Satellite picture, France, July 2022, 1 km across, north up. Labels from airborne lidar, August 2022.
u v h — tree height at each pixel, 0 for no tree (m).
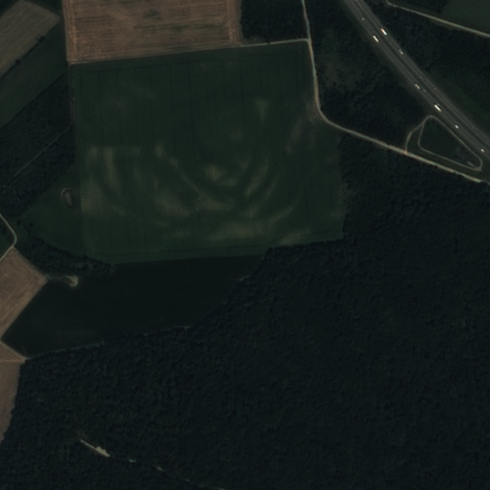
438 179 16
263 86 0
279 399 23
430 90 0
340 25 9
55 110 8
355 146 10
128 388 26
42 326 0
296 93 0
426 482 20
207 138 0
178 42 0
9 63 0
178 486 18
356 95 13
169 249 0
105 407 17
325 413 20
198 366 21
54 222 0
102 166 0
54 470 20
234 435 18
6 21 0
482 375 20
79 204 0
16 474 25
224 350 16
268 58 0
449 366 17
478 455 23
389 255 22
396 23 18
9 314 0
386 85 9
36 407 18
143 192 0
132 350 22
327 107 11
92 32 0
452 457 20
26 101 0
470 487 16
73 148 9
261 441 17
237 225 0
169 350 23
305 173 0
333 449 25
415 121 9
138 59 0
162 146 0
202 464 20
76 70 0
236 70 0
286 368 19
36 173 7
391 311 17
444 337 17
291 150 0
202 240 0
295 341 19
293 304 15
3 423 0
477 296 21
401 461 23
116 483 19
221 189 0
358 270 22
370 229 15
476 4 0
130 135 0
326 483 20
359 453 24
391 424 20
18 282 0
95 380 21
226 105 0
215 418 24
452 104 0
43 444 25
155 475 15
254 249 0
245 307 23
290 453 22
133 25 0
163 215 0
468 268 20
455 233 20
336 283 22
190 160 0
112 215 0
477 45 10
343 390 19
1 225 13
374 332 18
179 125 0
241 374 22
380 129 7
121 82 0
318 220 0
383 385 19
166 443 19
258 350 18
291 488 16
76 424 18
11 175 6
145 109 0
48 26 0
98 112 0
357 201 6
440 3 12
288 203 0
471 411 20
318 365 17
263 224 0
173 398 27
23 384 14
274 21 9
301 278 20
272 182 0
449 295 18
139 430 27
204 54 0
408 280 19
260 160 0
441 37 13
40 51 0
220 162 0
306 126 0
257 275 15
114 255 0
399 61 0
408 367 19
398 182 15
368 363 17
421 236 20
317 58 8
